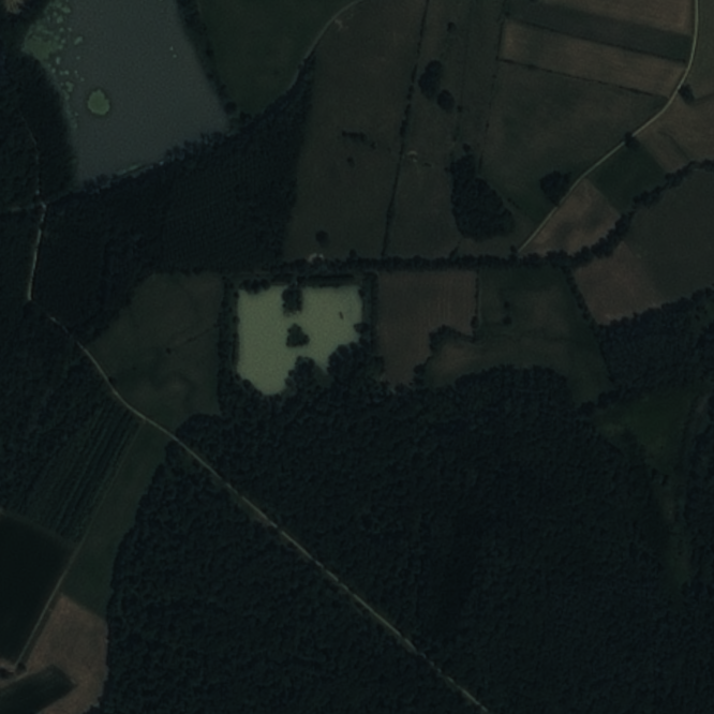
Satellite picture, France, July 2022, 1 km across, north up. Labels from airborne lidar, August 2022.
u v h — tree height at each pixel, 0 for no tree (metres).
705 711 24
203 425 20
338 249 0
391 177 0
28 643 0
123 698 24
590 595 18
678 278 0
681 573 0
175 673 27
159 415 0
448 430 29
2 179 24
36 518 11
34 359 27
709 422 0
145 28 0
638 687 24
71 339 33
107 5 0
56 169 11
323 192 0
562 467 24
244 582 27
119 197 22
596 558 22
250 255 25
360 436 27
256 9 0
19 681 0
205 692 25
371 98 0
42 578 0
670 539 0
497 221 19
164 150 0
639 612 28
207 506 12
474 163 8
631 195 0
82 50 0
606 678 24
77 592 0
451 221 0
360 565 31
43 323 20
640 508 7
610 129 0
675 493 0
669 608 18
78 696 0
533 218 0
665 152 0
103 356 0
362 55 0
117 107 0
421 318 0
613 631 21
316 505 25
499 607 30
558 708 27
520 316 0
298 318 0
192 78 0
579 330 0
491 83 0
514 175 0
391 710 24
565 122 0
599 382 0
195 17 17
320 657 30
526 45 0
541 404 23
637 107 0
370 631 25
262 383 0
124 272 32
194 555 27
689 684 27
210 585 22
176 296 0
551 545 25
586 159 0
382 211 0
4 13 22
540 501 23
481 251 0
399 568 18
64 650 0
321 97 0
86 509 8
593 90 0
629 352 33
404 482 27
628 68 0
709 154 0
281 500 25
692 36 0
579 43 0
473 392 19
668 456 0
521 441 27
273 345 0
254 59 0
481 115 0
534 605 21
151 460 0
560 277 0
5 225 19
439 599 21
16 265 18
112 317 15
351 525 28
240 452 17
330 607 28
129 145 0
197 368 0
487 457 24
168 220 25
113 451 6
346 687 26
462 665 25
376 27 0
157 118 0
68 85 0
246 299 0
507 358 0
